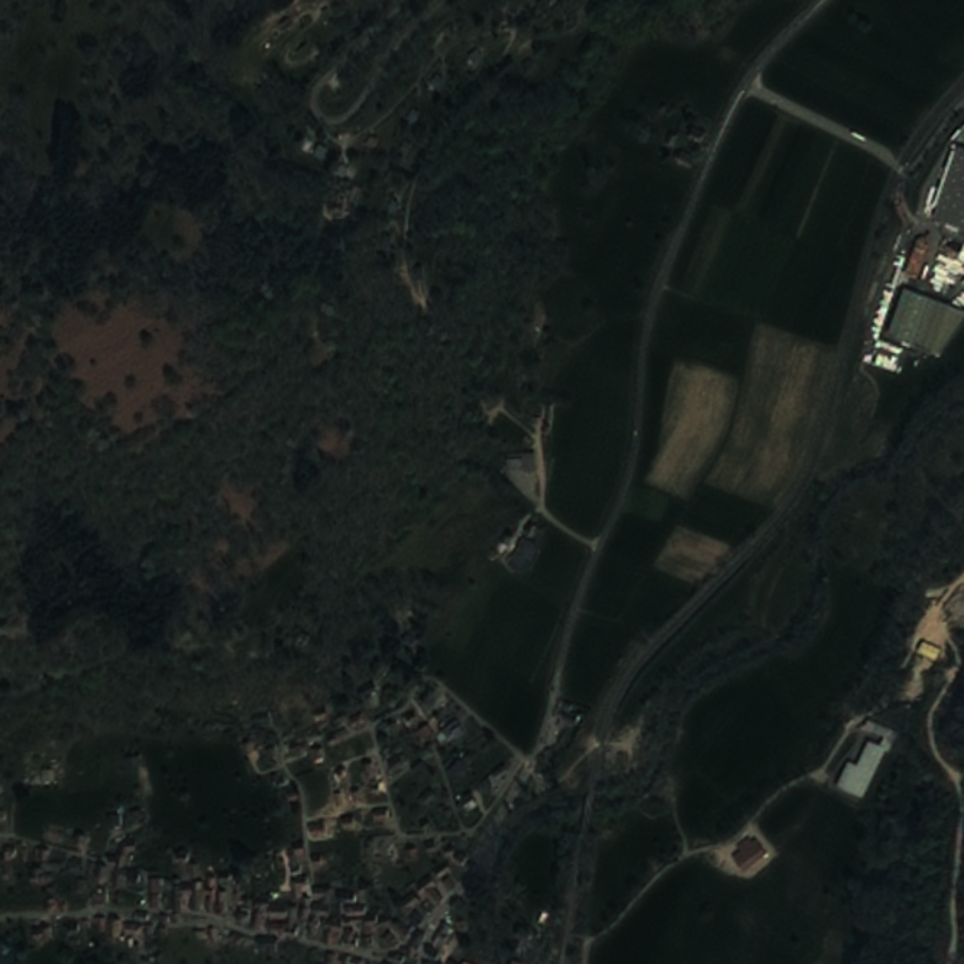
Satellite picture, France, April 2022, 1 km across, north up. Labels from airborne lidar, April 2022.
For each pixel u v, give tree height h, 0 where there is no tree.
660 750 20
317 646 15
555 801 19
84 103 14
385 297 25
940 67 0
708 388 0
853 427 0
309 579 15
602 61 23
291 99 17
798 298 0
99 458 18
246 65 0
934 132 0
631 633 0
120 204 31
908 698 0
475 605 0
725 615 0
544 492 0
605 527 0
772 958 0
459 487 18
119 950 0
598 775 0
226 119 30
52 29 0
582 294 0
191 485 20
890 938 24
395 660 13
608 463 0
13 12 17
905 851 19
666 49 0
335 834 0
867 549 0
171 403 15
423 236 27
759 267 0
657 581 0
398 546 25
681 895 0
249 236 26
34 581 26
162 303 20
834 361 0
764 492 0
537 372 28
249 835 0
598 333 0
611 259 0
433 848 0
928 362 0
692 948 0
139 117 15
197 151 25
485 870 26
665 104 6
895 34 0
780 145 0
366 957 0
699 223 0
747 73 0
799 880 0
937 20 0
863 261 0
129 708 23
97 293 7
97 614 12
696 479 0
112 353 0
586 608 0
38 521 28
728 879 0
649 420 0
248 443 14
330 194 12
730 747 0
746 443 0
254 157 25
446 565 0
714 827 0
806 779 12
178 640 24
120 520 23
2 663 19
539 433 0
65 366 21
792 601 0
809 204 0
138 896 0
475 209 32
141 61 26
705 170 0
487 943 17
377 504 21
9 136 7
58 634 27
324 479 25
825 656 0
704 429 0
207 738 7
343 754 0
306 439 10
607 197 0
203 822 8
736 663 17
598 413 0
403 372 20
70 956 15
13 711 15
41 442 21
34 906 0
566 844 17
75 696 23
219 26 22
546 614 0
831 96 0
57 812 0
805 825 0
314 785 0
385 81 15
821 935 0
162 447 17
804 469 0
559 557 0
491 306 19
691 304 0
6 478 19
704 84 0
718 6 26
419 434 21
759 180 0
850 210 0
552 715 0
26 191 28
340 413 19
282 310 23
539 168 28
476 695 0
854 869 0
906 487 19
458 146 20
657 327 0
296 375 19
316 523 21
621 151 0
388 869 0
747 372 0
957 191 0
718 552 0
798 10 0
